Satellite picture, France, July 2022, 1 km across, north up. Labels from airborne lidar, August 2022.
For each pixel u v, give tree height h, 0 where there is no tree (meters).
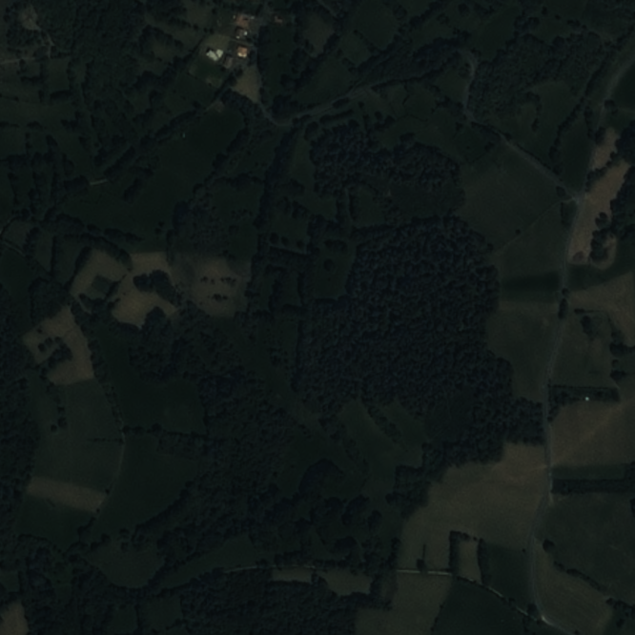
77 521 0
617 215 18
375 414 16
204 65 0
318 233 27
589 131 6
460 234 13
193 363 11
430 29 0
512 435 20
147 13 9
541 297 0
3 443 12
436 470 15
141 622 17
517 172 0
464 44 14
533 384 0
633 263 0
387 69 17
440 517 0
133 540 9
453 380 17
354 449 19
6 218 0
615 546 0
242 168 0
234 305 0
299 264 17
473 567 0
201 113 12
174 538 11
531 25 15
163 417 0
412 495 12
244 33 0
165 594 15
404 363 20
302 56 19
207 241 9
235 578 9
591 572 0
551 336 0
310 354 26
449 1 18
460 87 0
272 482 0
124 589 11
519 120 0
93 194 0
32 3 7
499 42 0
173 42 16
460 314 17
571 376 0
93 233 15
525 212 0
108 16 20
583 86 11
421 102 0
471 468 0
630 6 13
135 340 20
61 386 0
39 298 15
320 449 0
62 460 0
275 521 28
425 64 18
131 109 18
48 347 8
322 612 15
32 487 0
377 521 18
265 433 16
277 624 18
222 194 0
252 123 16
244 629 10
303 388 20
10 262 0
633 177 19
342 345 20
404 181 8
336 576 0
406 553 0
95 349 13
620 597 0
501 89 9
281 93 0
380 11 0
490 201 0
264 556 0
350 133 23
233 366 6
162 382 13
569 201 0
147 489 0
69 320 0
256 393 17
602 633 0
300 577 0
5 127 11
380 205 13
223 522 9
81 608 8
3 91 0
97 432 0
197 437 17
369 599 20
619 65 0
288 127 0
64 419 11
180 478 0
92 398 0
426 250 24
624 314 0
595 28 0
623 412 0
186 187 0
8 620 0
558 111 0
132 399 0
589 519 0
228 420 27
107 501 0
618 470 0
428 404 11
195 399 0
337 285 0
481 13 18
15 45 8
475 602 0
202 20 0
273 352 9
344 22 24
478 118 13
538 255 0
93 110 18
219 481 9
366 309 10
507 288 0
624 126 0
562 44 17
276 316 16
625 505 0
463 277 22
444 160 18
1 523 12
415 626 0
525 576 0
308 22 13
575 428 0
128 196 17
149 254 0
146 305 0
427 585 0
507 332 0
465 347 16
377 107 0
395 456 0
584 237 0
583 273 0
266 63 20
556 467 0
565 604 0
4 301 16
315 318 21
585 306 0
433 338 18
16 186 14
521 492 0
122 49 20
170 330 34
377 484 0
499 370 15
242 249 0
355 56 0
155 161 19
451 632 0
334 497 0
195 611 12
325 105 0
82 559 18
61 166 18
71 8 14
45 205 19
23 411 14
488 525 0
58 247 15
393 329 15
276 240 20
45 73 12
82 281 0
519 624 0
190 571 0
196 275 0
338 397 21
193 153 0
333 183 21
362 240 14
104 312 23
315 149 24
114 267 0
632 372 0
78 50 10
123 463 0
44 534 0
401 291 18
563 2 0
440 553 0
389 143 0
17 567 14
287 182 26
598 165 0
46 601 8
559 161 17
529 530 0
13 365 18
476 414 15
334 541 14
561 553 0
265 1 9
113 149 23
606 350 0
